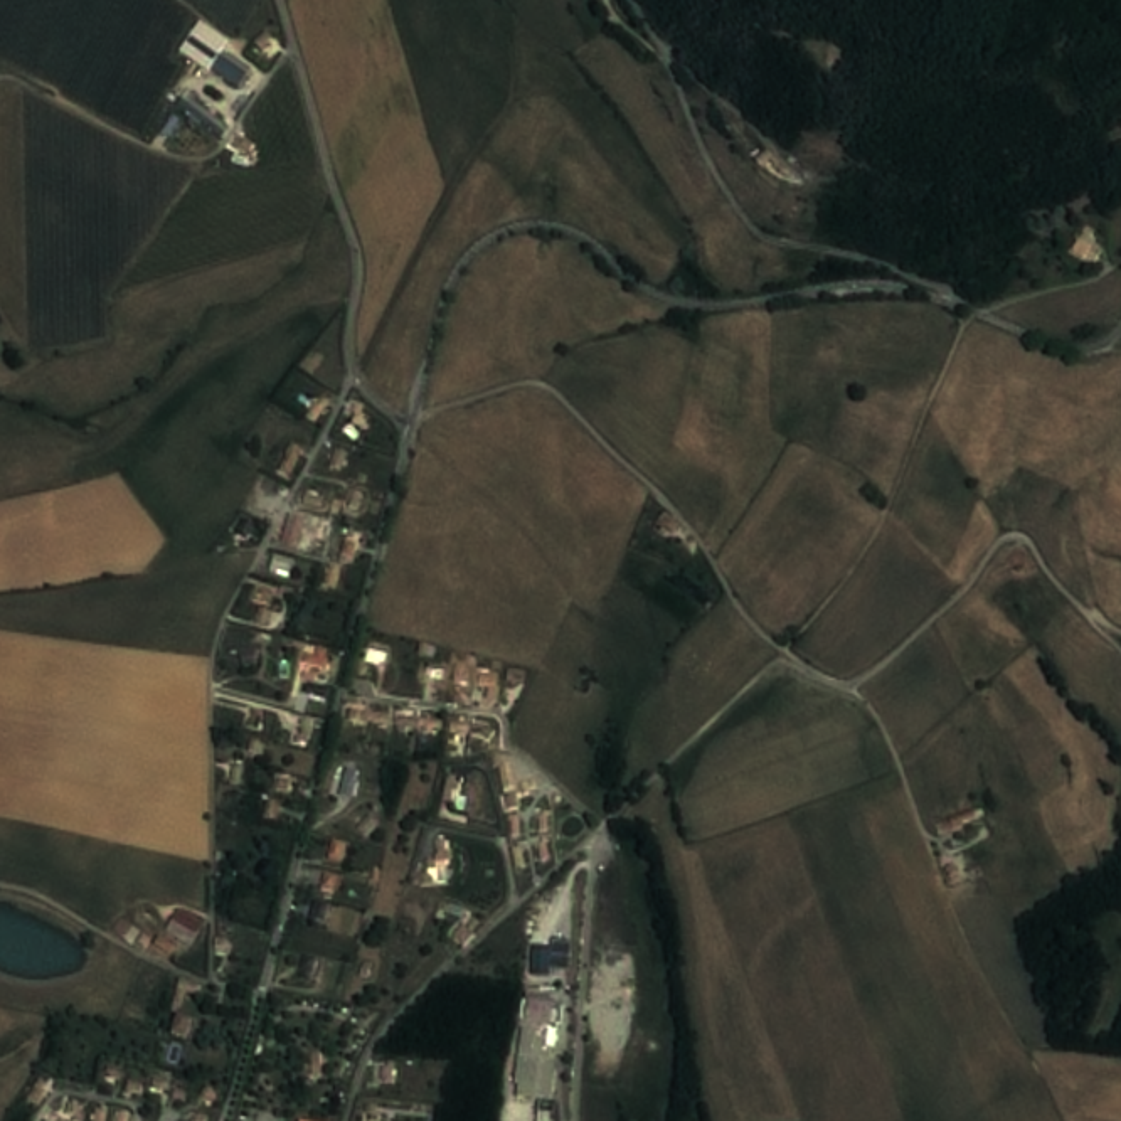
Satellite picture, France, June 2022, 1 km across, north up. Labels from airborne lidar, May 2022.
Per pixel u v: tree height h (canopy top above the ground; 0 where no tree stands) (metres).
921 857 0
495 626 0
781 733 0
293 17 0
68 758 0
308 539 0
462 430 0
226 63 0
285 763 7
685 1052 18
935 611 0
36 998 0
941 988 0
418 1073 0
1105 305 0
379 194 0
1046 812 0
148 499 0
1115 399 0
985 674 0
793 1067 0
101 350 0
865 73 18
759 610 0
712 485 0
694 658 0
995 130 17
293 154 0
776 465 0
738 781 0
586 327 0
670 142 0
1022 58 18
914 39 17
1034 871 0
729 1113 0
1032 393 0
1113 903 19
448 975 9
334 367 0
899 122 13
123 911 0
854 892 0
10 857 0
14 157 0
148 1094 8
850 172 12
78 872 0
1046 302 0
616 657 0
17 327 0
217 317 0
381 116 0
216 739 11
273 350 0
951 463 0
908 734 0
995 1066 0
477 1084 8
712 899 0
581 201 0
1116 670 0
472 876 0
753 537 0
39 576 0
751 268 0
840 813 0
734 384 0
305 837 13
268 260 0
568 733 0
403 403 0
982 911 0
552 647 0
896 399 0
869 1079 0
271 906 10
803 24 18
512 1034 11
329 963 0
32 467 0
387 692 0
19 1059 0
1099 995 16
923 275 15
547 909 0
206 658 0
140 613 0
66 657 0
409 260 0
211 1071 10
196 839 0
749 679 0
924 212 13
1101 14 9
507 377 0
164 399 0
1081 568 0
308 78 0
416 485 0
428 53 0
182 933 0
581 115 0
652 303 0
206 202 0
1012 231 14
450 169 0
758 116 11
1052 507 0
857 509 0
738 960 0
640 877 0
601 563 0
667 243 0
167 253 0
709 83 14
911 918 0
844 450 0
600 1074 0
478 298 0
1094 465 0
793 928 0
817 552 0
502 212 0
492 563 0
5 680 0
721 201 0
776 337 0
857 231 7
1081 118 14
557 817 0
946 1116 0
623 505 0
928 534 0
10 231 0
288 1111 11
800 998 0
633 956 0
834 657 0
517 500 0
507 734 0
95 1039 0
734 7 15
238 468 0
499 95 0
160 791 0
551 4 0
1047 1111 0
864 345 0
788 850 0
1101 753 0
